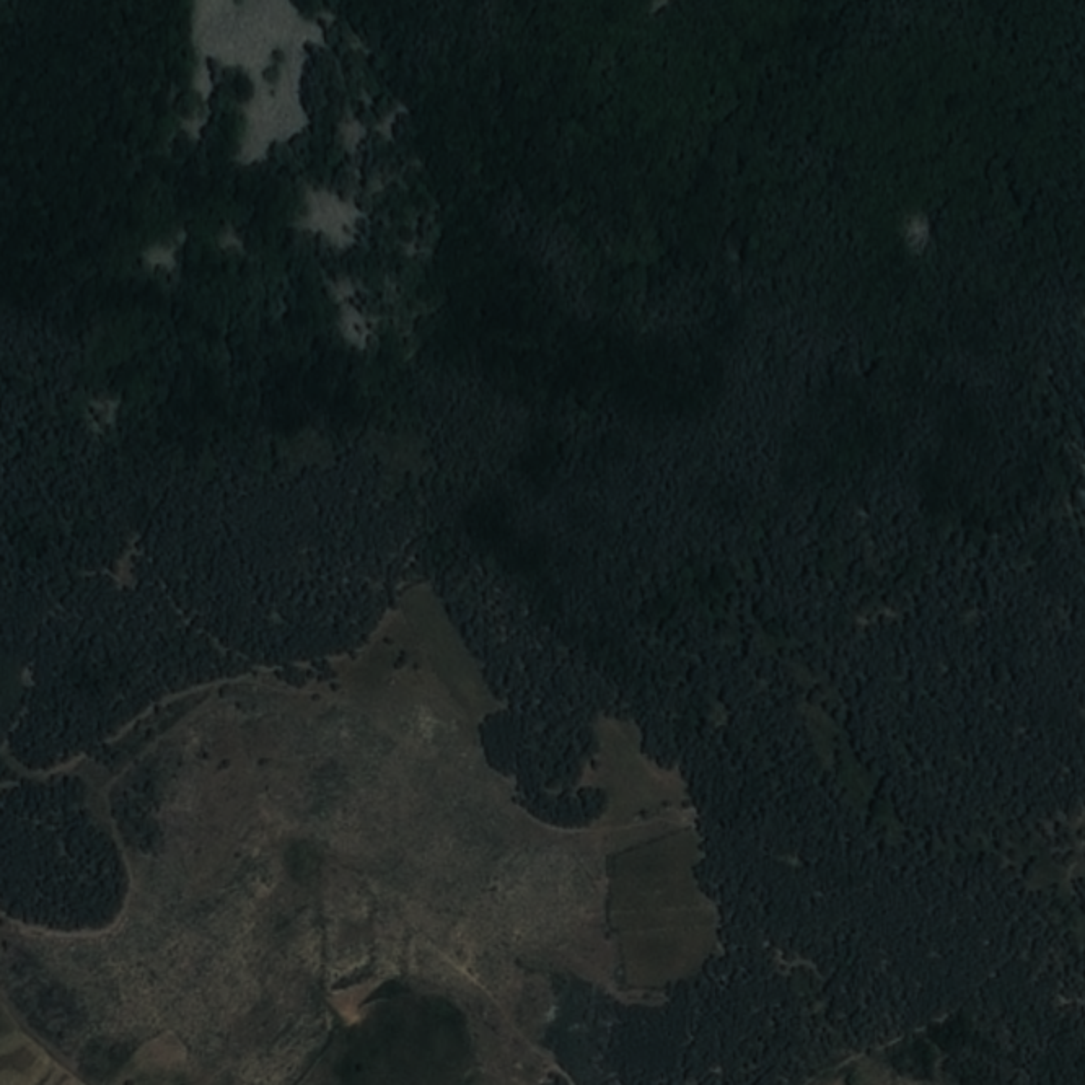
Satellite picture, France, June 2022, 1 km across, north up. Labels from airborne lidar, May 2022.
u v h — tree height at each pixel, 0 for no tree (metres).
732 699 19
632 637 23
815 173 22
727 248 18
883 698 20
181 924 0
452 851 0
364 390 9
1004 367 20
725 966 17
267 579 19
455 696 0
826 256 27
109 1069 0
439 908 0
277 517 20
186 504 19
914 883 19
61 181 21
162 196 8
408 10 19
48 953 0
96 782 0
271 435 11
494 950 0
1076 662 18
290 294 14
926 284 19
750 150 30
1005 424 17
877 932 22
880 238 19
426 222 13
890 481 12
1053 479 12
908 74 23
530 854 0
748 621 17
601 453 19
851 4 10
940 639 20
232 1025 0
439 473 8
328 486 14
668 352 18
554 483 19
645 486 21
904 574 14
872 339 20
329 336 7
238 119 9
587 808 18
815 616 20
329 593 16
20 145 23
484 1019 0
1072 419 16
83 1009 0
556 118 22
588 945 0
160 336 14
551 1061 0
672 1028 10
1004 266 18
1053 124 21
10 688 0
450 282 15
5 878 17
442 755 0
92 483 17
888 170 21
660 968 0
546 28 20
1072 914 10
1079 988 11
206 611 14
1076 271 19
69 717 19
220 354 8
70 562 15
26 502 16
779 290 19
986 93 24
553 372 18
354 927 0
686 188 20
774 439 20
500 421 15
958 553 15
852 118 22
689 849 0
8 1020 0
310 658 12
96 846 16
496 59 21
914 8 20
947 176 19
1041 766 20
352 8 21
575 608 18
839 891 17
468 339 18
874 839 17
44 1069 0
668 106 21
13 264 24
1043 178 18
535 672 17
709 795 12
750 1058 10
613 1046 10
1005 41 25
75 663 10
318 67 16
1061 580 19
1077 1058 15
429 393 16
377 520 17
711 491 21
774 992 17
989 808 15
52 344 17
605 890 0
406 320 6
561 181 22
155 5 19
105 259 12
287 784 0
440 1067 0
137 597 12
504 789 0
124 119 20
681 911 0
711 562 19
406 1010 0
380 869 0
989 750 17
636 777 0
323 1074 0
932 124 21
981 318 17
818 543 13
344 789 0
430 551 12
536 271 17
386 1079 0
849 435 18
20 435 6
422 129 16
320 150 14
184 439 17
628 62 16
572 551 18
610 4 20
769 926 16
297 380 16
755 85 25
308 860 0
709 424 17
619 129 21
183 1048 0
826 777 11
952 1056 10
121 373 15
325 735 0
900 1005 16
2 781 11
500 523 17
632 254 7
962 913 19
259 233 15
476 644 10
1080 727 14
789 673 17
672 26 19
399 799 0
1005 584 17
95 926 13
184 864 0
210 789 0
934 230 8
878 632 14
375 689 0
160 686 12
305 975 0
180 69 17
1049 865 0
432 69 20
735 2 22
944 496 13
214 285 13
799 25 18
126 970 0
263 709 0
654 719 16
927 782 18
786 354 15
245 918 0
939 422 16
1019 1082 11
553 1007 0
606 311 19
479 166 19
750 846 19
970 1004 13
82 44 21
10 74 25
